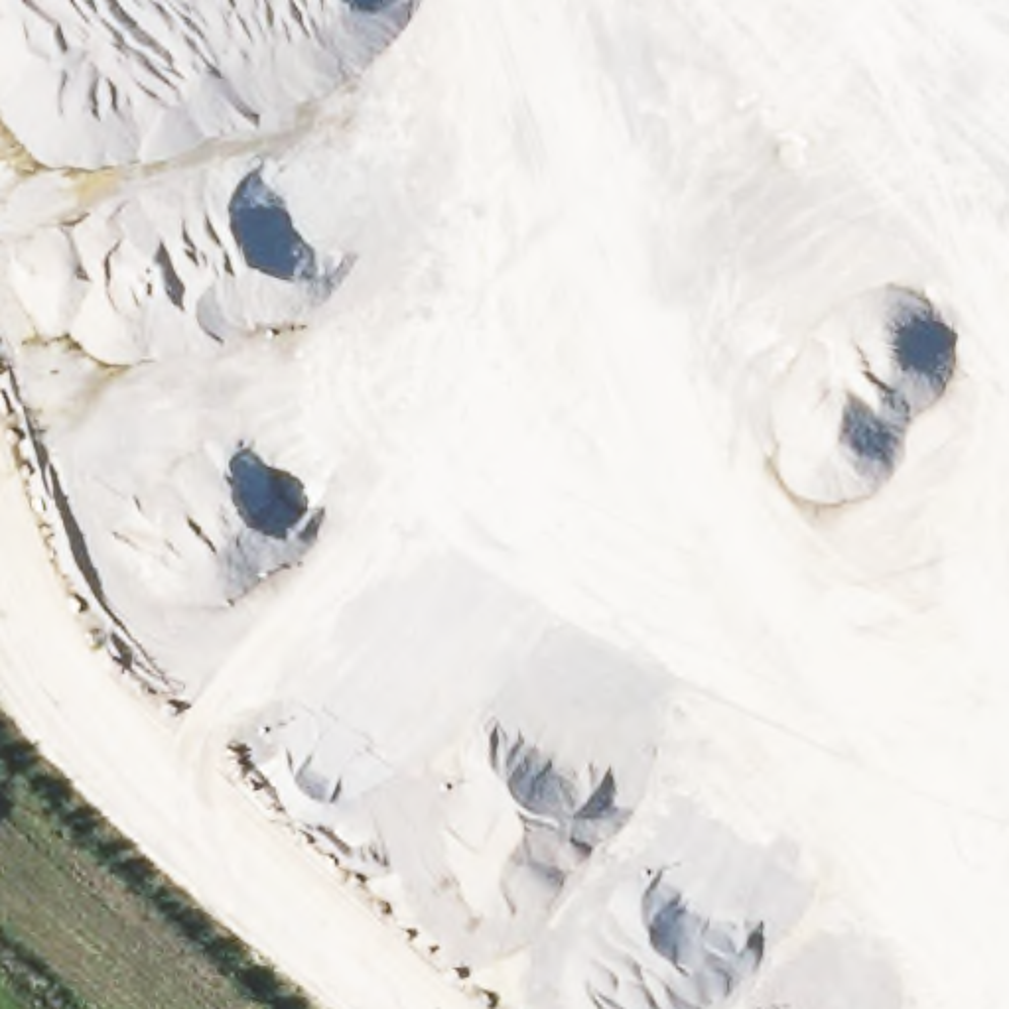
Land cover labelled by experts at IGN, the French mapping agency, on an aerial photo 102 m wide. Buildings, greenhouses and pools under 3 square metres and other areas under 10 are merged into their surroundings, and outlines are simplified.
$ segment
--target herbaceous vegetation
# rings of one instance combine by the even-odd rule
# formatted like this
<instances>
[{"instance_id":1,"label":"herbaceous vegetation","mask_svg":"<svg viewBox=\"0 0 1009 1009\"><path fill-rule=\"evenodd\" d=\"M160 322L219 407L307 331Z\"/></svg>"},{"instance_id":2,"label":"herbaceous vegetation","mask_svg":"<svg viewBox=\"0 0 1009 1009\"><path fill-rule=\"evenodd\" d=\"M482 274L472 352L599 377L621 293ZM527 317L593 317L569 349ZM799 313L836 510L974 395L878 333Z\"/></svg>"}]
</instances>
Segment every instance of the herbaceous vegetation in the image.
<instances>
[{"instance_id":1,"label":"herbaceous vegetation","mask_svg":"<svg viewBox=\"0 0 1009 1009\"><path fill-rule=\"evenodd\" d=\"M39 954L32 954L20 938L12 938L0 926L0 1009L87 1009L87 1001Z\"/></svg>"}]
</instances>

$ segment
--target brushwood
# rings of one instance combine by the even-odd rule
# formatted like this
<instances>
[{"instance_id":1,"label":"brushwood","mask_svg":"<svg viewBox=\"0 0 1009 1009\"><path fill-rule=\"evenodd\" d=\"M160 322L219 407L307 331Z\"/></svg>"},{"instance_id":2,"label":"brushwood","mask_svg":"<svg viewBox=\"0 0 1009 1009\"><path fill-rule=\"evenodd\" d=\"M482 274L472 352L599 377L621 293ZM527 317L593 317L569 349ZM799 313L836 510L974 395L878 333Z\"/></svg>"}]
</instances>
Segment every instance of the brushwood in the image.
<instances>
[{"instance_id":1,"label":"brushwood","mask_svg":"<svg viewBox=\"0 0 1009 1009\"><path fill-rule=\"evenodd\" d=\"M138 903L154 907L185 942L193 942L197 954L213 962L217 974L236 981L236 989L264 1009L315 1009L272 966L260 966L236 934L213 922L189 899L189 891L169 883L169 875L162 875L99 808L91 808L71 788L71 780L39 757L39 749L0 709L0 788L12 796L16 776L28 780L43 796L43 816L55 816L71 828L75 847L91 851L110 875L126 883L126 891Z\"/></svg>"}]
</instances>

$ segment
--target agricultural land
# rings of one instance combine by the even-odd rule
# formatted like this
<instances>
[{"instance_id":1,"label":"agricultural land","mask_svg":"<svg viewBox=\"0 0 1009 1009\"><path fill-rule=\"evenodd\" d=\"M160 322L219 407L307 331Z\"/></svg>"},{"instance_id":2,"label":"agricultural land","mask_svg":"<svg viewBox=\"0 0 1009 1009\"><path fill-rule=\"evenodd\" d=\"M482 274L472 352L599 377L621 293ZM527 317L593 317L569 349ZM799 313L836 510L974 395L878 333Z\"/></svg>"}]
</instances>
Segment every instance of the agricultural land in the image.
<instances>
[{"instance_id":1,"label":"agricultural land","mask_svg":"<svg viewBox=\"0 0 1009 1009\"><path fill-rule=\"evenodd\" d=\"M236 989L236 981L217 974L213 962L197 954L193 942L185 942L154 907L138 903L126 891L126 883L110 875L91 851L75 847L71 828L55 816L43 816L43 796L28 780L16 776L12 796L0 788L0 926L12 938L20 938L32 954L39 954L87 1001L87 1009L264 1009Z\"/></svg>"}]
</instances>

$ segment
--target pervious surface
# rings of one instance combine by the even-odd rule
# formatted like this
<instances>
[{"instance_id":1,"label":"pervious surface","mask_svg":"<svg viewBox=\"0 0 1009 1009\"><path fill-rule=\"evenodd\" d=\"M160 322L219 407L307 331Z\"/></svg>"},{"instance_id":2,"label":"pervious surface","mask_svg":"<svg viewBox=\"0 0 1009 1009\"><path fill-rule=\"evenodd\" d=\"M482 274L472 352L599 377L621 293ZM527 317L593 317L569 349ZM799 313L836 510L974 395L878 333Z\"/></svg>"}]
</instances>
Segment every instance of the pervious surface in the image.
<instances>
[{"instance_id":1,"label":"pervious surface","mask_svg":"<svg viewBox=\"0 0 1009 1009\"><path fill-rule=\"evenodd\" d=\"M0 709L39 749L39 757L71 780L71 788L91 808L99 808L162 875L169 875L169 883L189 891L189 899L213 922L236 934L260 966L272 966L315 1009L1009 1009L1009 0L0 0Z\"/></svg>"}]
</instances>

